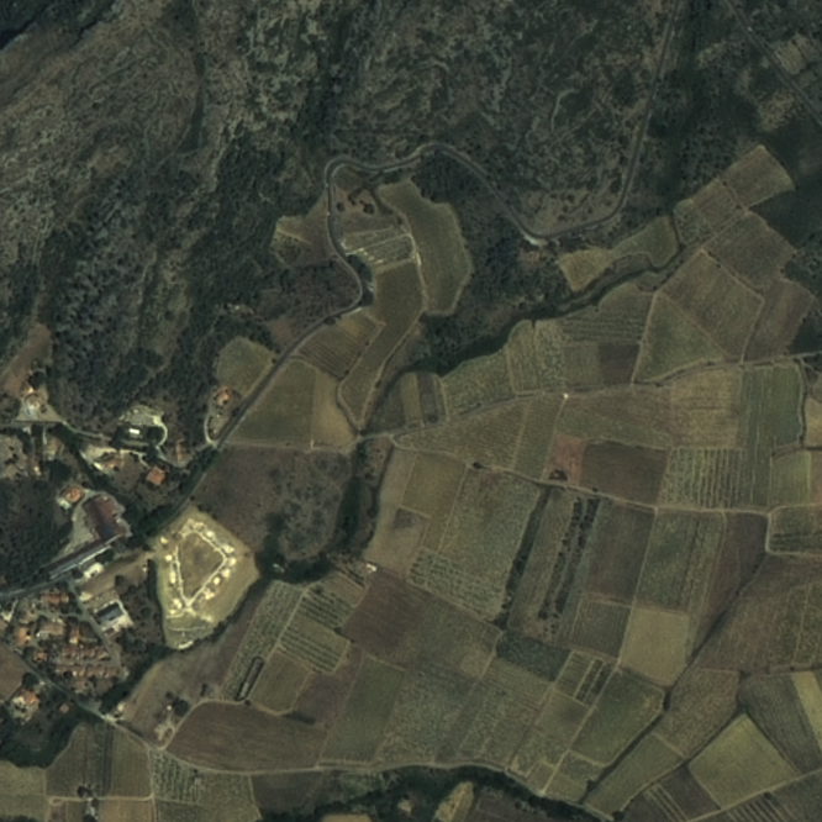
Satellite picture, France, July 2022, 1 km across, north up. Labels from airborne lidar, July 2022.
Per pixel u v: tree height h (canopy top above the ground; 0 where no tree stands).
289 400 0
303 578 6
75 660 0
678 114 8
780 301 0
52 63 0
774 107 0
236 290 6
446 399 0
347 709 0
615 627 0
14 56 0
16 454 8
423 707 0
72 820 0
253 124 0
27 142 0
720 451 0
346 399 0
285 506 0
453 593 0
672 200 8
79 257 8
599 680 0
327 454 0
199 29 0
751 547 0
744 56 8
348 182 0
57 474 9
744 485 0
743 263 0
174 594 0
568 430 0
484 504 0
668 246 0
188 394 10
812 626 0
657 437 0
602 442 0
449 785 7
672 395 0
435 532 0
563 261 0
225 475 0
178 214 0
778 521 0
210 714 0
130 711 0
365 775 0
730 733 0
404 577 0
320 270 11
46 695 8
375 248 0
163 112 0
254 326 5
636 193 7
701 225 0
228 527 0
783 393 0
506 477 0
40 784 0
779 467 0
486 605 0
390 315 0
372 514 7
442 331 10
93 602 0
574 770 0
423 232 0
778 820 0
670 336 0
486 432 0
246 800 0
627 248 0
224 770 0
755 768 0
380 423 0
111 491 7
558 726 0
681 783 0
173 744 0
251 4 0
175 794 0
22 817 6
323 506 0
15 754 6
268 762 0
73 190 0
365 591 0
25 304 14
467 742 0
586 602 0
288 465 0
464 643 0
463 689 0
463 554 0
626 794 0
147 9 0
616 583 0
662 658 0
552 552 0
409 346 0
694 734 0
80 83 0
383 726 0
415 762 0
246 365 0
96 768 0
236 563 0
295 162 0
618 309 0
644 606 0
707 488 0
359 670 0
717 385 0
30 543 9
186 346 15
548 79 0
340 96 6
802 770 0
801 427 0
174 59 0
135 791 0
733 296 0
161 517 22
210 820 0
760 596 0
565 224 0
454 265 0
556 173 0
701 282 0
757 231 0
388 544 0
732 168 0
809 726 0
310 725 0
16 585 11
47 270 7
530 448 0
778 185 0
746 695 0
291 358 0
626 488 0
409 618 0
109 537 0
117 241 0
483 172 0
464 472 0
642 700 0
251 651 0
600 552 0
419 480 0
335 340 0
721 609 0
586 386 0
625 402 0
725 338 0
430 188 12
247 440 0
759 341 0
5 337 10
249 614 0
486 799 0
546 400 0
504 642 0
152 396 11
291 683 0
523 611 0
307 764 0
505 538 0
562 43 0
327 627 0
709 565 0
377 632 0
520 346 0
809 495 0
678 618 0
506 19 0
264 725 0
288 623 0
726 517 0
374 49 0
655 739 0
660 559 0
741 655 0
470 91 0
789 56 0
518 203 0
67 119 0
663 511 0
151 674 0
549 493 0
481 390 0
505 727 0
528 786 0
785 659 0
